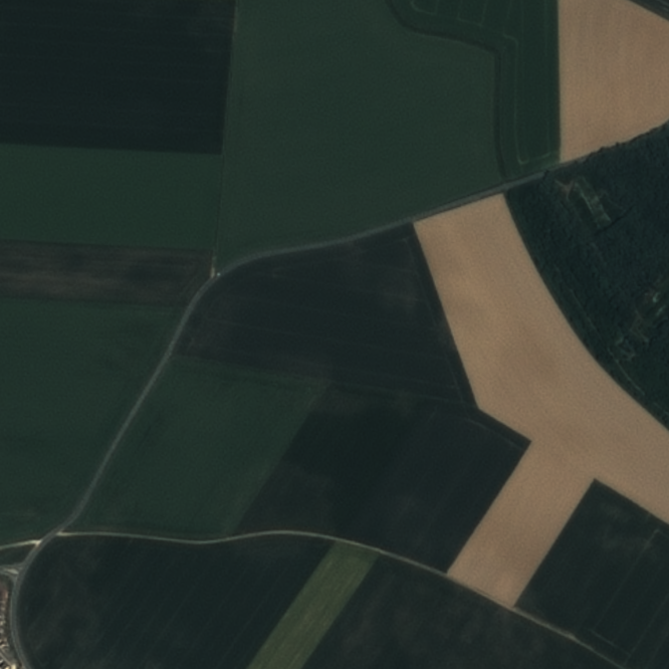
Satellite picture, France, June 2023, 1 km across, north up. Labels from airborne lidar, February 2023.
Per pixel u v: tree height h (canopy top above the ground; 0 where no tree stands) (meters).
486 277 0
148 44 0
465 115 0
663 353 24
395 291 0
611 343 6
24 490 0
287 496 0
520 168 0
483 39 0
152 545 0
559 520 0
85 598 0
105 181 0
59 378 0
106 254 0
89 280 0
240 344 0
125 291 0
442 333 0
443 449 0
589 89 0
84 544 0
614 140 0
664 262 20
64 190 0
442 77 0
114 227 0
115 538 0
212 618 0
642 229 24
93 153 0
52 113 0
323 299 0
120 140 0
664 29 0
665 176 19
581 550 0
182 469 0
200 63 0
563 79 0
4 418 0
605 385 0
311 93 0
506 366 0
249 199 0
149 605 0
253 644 0
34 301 0
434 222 0
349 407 0
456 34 0
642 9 0
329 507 0
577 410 0
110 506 0
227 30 0
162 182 0
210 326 0
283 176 0
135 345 0
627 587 0
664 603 0
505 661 0
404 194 0
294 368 0
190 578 0
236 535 0
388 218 0
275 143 0
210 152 0
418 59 0
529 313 0
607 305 12
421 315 0
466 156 0
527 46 0
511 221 0
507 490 0
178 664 0
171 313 0
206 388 0
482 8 0
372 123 0
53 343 0
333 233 0
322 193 0
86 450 0
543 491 0
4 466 0
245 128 0
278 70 0
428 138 0
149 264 0
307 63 0
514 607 0
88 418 0
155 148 0
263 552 0
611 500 0
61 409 0
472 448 0
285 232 0
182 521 0
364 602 0
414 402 0
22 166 0
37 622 0
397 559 0
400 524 0
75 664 0
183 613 0
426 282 0
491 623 0
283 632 0
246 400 0
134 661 0
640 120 0
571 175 7
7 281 0
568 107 0
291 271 0
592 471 0
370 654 0
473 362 0
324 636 0
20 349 0
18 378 0
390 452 0
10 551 0
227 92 0
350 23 0
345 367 0
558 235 14
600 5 0
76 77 0
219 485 0
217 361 0
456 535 0
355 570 0
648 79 0
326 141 0
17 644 0
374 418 0
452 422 0
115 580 0
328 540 0
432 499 0
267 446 0
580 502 0
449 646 0
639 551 0
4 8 0
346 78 0
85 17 0
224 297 0
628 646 0
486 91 0
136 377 0
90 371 0
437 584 0
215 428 0
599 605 0
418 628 0
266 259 0
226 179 0
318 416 0
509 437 0
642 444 0
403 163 0
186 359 0
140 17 0
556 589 0
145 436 0
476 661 0
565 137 0
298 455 0
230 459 0
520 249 0
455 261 0
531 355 0
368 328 0
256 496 0
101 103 0
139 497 0
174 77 0
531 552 0
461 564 0
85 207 0
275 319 0
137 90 0
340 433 0
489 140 0
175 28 0
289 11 0
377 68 0
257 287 0
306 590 0
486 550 0
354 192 0
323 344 0
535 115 0
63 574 0
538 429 0
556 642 0
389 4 0
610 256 22
